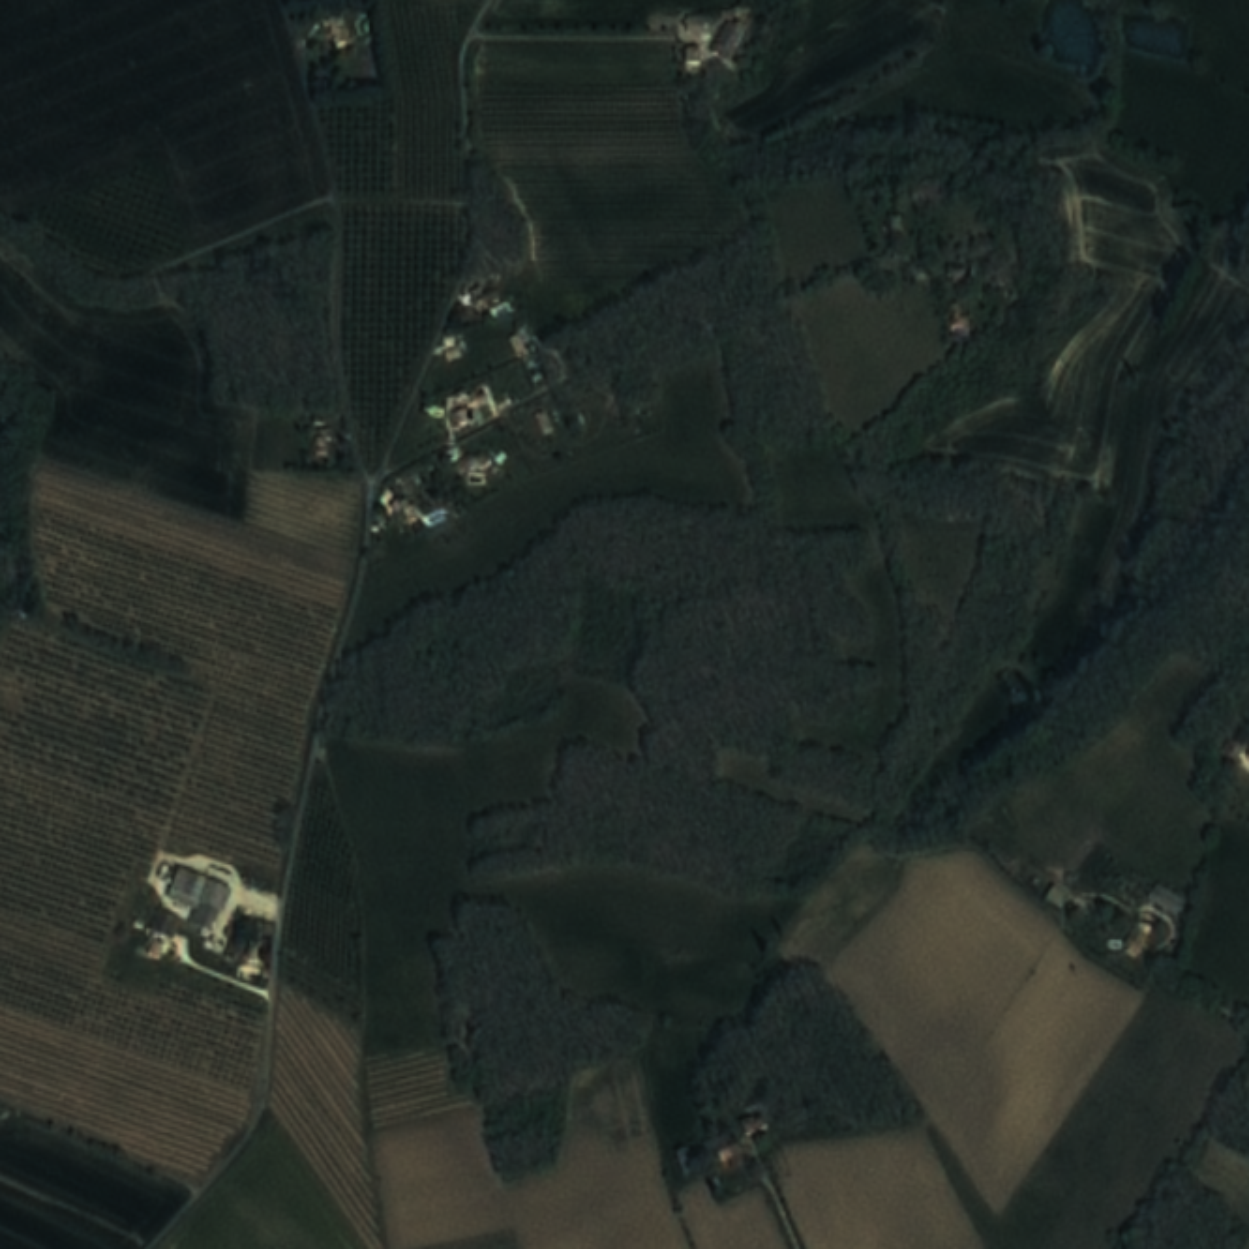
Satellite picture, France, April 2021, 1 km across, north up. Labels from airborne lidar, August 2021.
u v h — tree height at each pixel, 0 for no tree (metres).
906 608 12
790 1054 22
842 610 17
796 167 6
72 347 0
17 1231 0
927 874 0
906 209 7
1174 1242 20
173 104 0
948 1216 0
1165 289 0
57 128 0
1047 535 11
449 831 0
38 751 6
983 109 0
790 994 21
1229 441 14
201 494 0
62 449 0
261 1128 0
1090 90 0
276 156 0
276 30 0
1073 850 0
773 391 17
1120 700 17
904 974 0
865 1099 19
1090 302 11
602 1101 0
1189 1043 0
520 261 18
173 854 0
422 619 19
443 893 0
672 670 20
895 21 0
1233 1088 19
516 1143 17
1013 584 23
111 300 20
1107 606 7
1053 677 12
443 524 0
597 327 21
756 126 0
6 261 0
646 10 0
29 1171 0
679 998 0
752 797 18
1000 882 0
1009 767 14
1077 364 0
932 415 14
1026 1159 0
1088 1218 0
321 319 15
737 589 14
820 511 0
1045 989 0
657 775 19
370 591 0
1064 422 0
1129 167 0
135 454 0
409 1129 0
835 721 16
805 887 16
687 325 15
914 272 10
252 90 0
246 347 18
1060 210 17
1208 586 14
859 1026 18
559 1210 0
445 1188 0
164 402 0
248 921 10
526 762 0
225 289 18
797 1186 0
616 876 0
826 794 14
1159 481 16
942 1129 0
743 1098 18
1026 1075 0
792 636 17
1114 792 0
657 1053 0
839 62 0
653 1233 0
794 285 9
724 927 0
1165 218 0
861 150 6
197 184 0
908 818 15
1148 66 0
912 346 0
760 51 11
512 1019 20
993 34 0
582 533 15
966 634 15
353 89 16
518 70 0
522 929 22
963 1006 0
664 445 0
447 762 0
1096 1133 0
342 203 0
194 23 0
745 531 13
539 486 0
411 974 0
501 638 20
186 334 0
